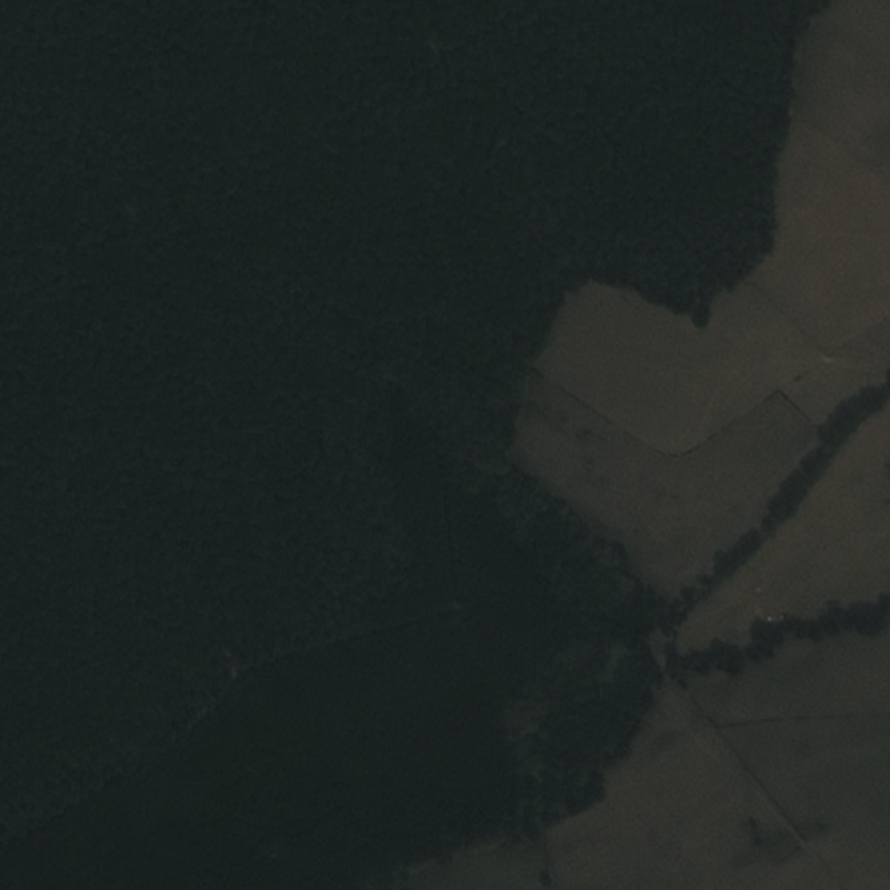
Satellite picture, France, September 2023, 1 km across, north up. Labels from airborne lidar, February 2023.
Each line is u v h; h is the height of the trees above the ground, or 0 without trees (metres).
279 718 8
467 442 19
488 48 33
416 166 28
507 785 12
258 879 7
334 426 33
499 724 7
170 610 36
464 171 31
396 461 16
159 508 29
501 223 30
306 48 33
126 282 33
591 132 30
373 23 36
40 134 29
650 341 0
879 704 0
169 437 36
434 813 18
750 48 32
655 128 32
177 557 33
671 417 0
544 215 31
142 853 11
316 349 34
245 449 33
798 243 0
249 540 34
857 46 0
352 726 9
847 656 0
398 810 17
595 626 15
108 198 34
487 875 0
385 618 13
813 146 0
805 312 0
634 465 0
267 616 36
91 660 34
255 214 32
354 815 15
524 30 33
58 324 35
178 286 32
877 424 0
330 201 32
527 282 25
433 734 13
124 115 28
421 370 30
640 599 21
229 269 31
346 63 34
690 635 0
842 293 0
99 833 9
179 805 12
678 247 27
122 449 34
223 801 6
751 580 0
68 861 11
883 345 0
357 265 29
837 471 0
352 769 14
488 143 24
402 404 17
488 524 14
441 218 30
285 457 32
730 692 0
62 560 37
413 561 20
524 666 11
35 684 34
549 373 0
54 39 27
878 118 0
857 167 0
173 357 31
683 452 0
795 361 0
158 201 33
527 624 13
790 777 0
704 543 0
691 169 33
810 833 0
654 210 27
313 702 8
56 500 35
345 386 34
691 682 0
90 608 34
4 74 29
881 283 0
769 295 0
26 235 30
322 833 14
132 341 33
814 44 0
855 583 0
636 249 23
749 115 29
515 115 32
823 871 0
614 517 0
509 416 22
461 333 27
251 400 32
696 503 0
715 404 0
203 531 38
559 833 0
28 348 31
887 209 0
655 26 32
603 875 0
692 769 0
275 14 32
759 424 0
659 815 0
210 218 32
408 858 16
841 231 0
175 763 10
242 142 27
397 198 30
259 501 30
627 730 16
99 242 31
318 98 33
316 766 9
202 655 37
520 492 21
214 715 8
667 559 0
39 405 34
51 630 35
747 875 0
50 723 37
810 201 0
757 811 0
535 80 28
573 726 24
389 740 12
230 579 36
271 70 34
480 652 8
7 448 32
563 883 0
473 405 20
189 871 9
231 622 37
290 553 35
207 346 32
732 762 0
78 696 34
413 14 33
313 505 31
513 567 13
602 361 0
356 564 31
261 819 6
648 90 26
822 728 0
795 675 0
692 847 0
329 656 9
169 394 33
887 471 0
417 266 27
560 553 17
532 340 29
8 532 36
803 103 0
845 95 0
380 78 30
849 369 0
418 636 12
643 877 0
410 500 16
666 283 20
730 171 33
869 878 0
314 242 26
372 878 18
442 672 11
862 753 0
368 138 35
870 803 0
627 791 0
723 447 0
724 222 31
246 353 33
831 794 0
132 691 36
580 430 0
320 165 33
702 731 0
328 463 35
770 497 0
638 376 0
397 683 13
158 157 34
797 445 0
